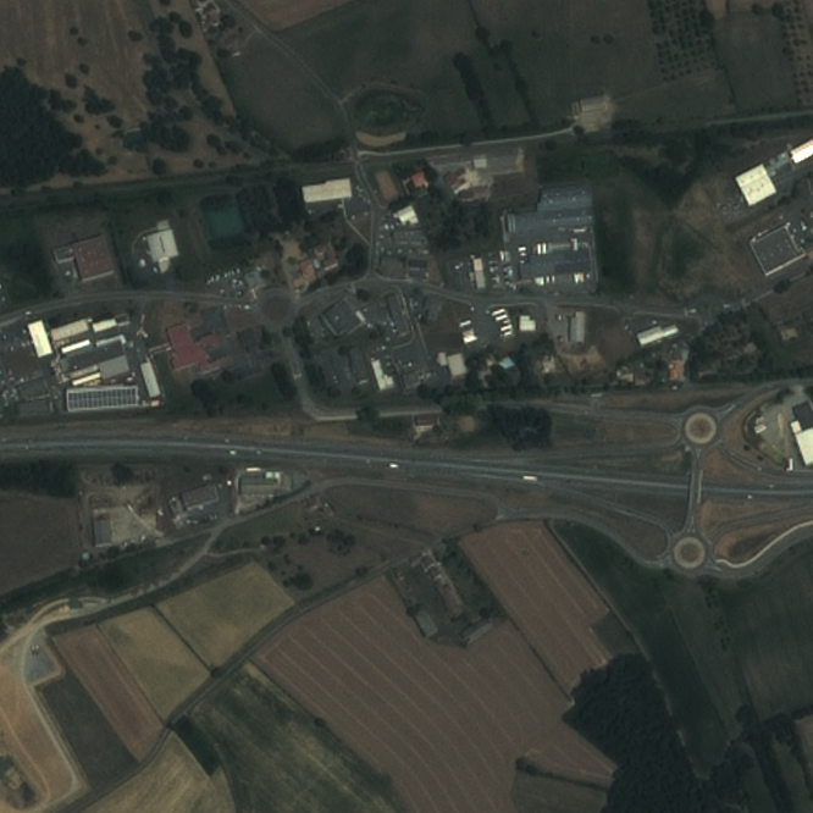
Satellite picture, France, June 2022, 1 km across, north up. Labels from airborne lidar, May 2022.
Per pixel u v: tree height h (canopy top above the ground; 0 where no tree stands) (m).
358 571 11
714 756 0
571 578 0
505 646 0
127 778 0
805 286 0
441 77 0
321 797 0
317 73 0
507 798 0
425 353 0
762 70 0
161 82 15
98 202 9
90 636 0
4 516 0
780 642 0
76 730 0
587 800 0
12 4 0
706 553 0
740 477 0
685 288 0
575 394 17
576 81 0
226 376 14
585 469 0
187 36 14
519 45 0
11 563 0
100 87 0
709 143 12
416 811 0
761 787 0
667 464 0
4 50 0
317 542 0
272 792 0
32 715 0
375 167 0
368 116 0
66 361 0
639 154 0
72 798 0
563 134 0
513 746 0
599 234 0
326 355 0
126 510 0
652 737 22
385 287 0
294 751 0
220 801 0
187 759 0
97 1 0
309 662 0
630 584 0
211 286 0
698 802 17
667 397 0
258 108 0
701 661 0
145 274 0
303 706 0
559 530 0
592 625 0
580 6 0
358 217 0
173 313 0
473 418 24
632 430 0
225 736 0
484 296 0
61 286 0
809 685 0
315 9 0
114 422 0
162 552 0
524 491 0
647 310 0
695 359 7
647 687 18
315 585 0
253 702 0
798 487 0
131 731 0
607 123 0
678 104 0
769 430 0
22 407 0
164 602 0
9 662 0
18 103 17
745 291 0
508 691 0
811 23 0
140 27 0
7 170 28
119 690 0
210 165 7
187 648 0
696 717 0
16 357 0
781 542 0
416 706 0
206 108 21
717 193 0
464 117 0
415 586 0
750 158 0
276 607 0
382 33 0
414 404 0
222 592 0
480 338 0
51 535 0
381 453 0
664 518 0
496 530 0
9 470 14
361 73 0
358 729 0
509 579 0
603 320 0
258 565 0
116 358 0
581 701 11
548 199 0
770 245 0
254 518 0
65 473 6
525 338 0
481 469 0
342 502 0
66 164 11
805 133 0
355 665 0
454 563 14
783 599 0
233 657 0
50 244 0
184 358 0
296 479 0
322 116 0
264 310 0
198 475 0
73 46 0
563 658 0
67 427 0
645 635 0
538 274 0
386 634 0
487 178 0
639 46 0
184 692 0
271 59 0
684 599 0
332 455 0
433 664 0
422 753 0
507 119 0
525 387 12
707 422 0
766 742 21
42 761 0
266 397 0
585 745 0
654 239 0
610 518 0
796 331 0
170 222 0
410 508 0
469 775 0
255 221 24
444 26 0
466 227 10
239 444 0
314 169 0
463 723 0
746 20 0
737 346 16
